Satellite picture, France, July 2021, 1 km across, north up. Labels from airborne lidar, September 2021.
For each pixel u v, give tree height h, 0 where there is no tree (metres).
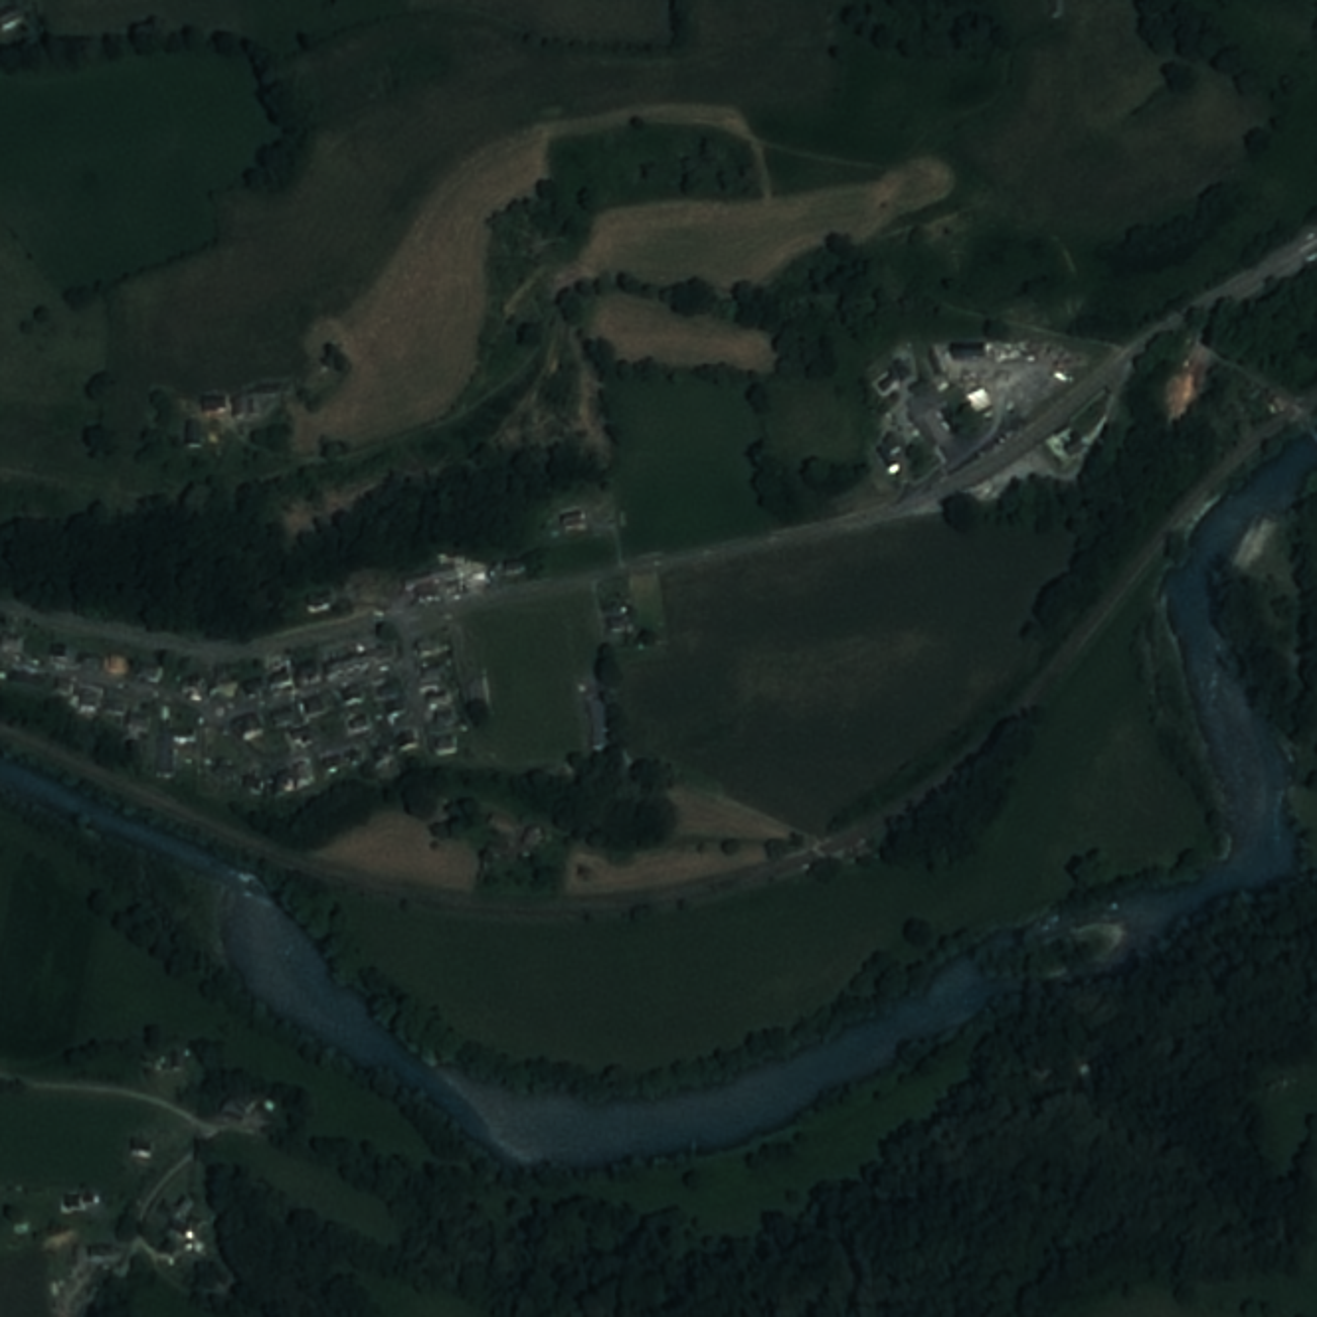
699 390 0
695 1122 0
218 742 0
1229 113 0
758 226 0
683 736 0
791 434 0
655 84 0
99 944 0
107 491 0
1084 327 16
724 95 0
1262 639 25
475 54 0
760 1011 0
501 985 0
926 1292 25
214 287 0
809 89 0
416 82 0
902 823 13
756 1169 15
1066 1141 22
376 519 15
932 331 0
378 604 0
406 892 0
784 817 0
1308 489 12
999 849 0
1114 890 18
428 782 16
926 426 0
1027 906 0
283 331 0
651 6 0
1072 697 0
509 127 0
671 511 0
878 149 0
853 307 18
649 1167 8
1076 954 25
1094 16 0
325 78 0
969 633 0
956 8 23
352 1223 0
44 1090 0
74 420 0
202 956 9
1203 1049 20
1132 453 9
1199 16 22
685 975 0
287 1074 0
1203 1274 20
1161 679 6
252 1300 24
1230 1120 23
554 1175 22
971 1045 7
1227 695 0
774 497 16
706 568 0
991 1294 11
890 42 28
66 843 11
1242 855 0
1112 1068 26
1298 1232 24
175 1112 0
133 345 0
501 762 0
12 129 0
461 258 0
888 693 0
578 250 0
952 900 0
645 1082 16
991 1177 24
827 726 0
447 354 0
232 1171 11
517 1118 0
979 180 0
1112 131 0
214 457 0
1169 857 0
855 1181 0
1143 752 0
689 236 0
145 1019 0
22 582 27
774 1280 32
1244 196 6
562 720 0
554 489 18
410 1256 13
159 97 0
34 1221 0
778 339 6
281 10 0
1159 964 10
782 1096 0
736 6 0
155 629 23
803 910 0
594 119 0
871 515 0
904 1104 0
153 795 0
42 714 6
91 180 0
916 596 0
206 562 30
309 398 9
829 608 0
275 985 0
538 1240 31
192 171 0
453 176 0
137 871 6
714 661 0
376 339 0
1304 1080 0
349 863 0
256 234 0
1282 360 22
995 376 0
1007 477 0
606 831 17
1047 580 0
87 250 0
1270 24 0
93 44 17
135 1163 0
